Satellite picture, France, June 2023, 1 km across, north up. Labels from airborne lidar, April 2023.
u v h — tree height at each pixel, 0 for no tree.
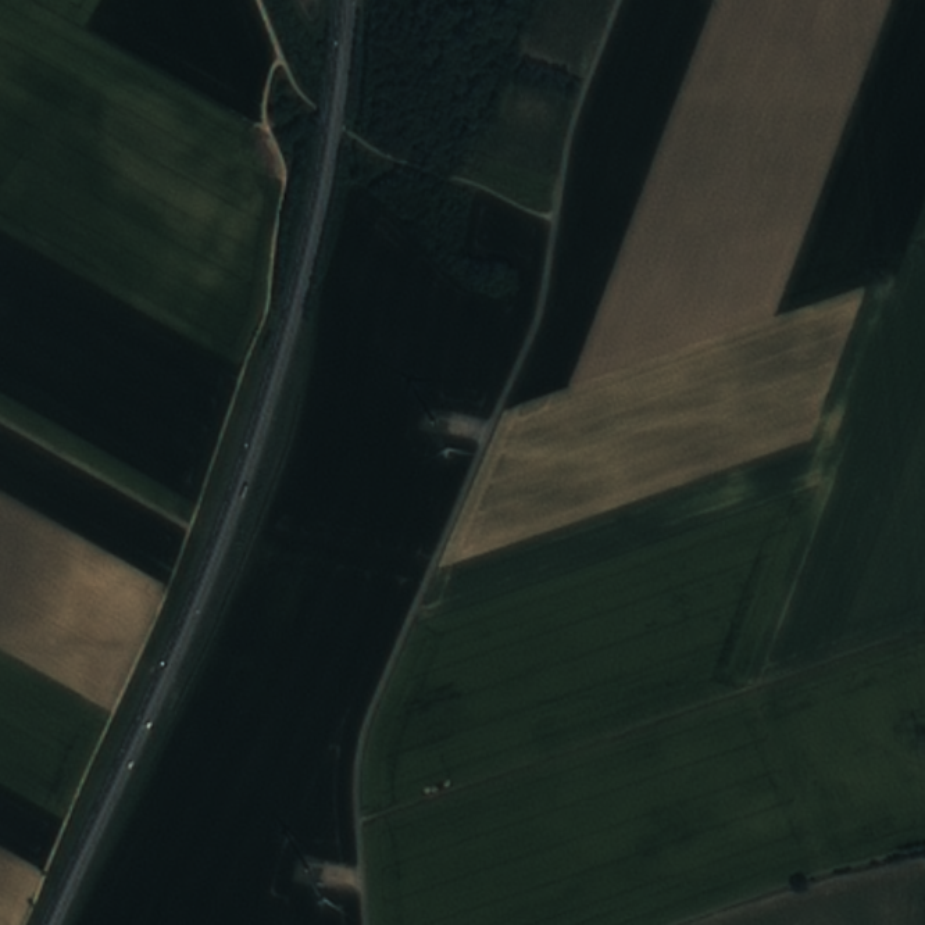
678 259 0
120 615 0
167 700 0
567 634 0
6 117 0
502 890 0
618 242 0
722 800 0
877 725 0
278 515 0
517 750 0
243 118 0
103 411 0
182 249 0
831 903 0
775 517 0
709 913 0
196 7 0
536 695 0
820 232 0
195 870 0
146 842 0
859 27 0
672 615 0
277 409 0
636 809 0
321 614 0
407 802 0
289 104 12
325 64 10
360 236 0
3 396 0
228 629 0
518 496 0
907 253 0
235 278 0
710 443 0
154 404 0
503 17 22
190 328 0
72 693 0
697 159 0
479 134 14
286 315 0
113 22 0
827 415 0
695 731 0
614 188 0
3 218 0
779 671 0
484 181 0
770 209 0
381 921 0
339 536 0
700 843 0
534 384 0
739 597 0
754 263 0
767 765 0
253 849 0
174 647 0
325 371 0
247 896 0
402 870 0
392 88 18
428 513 0
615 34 0
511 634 0
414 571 0
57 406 0
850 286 0
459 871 0
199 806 0
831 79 0
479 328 0
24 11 0
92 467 0
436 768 0
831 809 0
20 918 0
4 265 0
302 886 0
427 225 15
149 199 0
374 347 0
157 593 0
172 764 0
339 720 0
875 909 0
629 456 0
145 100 0
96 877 0
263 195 0
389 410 0
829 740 0
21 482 0
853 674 0
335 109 0
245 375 0
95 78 0
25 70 0
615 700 0
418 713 0
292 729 0
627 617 0
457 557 0
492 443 0
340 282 0
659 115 0
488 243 0
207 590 0
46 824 0
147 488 0
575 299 0
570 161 0
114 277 0
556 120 0
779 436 0
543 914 0
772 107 0
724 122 0
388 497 0
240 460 0
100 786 0
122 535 0
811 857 0
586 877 0
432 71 22
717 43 0
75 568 0
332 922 0
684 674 0
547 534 0
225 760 0
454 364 0
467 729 0
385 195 12
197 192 0
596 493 0
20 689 0
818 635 0
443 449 0
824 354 0
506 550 0
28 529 0
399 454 0
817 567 0
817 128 0
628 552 0
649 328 0
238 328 0
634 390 0
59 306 0
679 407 0
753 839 0
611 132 0
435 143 23
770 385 0
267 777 0
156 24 0
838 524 0
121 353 0
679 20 0
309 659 0
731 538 0
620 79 0
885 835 0
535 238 0
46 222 0
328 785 0
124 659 0
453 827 0
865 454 0
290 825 0
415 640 0
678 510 0
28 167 0
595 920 0
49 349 0
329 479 0
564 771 0
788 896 0
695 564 0
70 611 0
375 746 0
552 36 0
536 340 0
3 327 0
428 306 0
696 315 0
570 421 0
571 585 0
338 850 0
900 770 0
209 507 0
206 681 0
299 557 0
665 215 0
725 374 0
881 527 0
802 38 0
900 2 0
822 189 0
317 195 0
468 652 0
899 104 0
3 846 0
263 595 0
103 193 0
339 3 0
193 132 0
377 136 13
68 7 0
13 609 0
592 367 0
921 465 0
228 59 0
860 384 0
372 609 0
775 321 0
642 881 0
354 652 0
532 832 0
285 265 10
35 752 0
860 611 0
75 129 0
